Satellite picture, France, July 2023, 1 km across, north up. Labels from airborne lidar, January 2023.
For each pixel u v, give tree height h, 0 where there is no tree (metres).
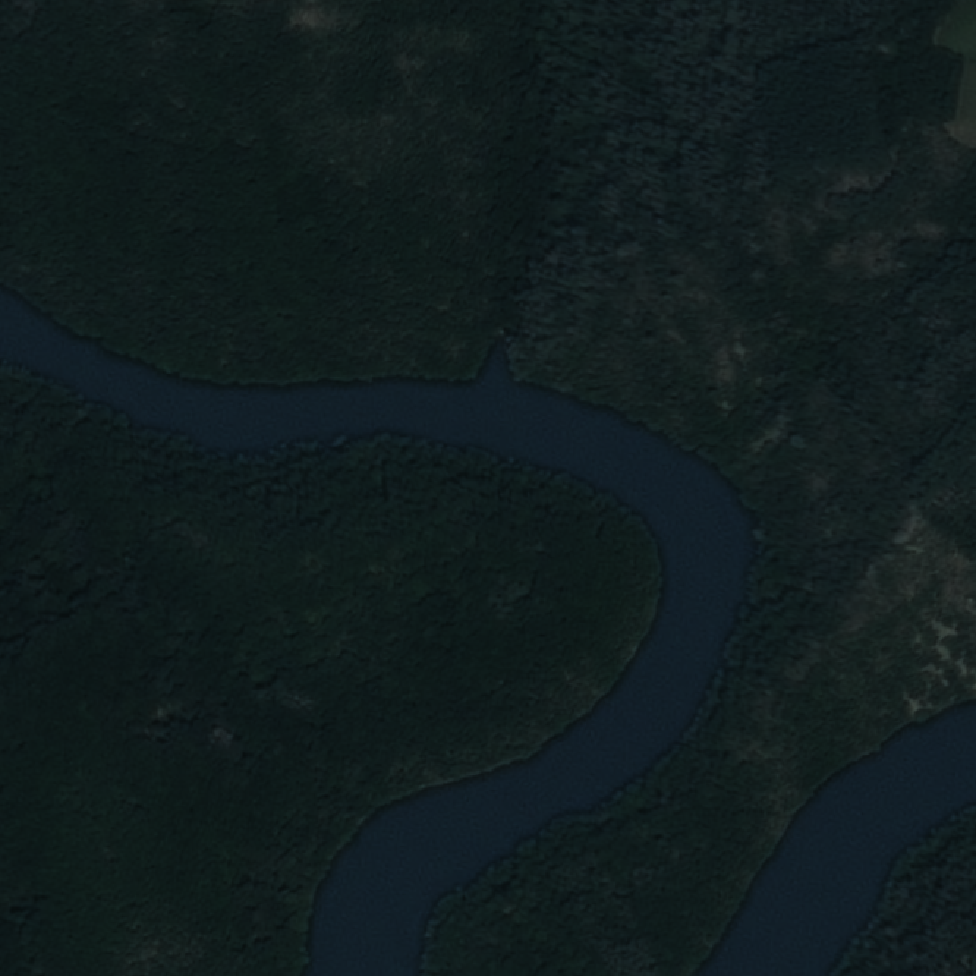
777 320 20
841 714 16
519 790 0
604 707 0
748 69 16
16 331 0
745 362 9
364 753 21
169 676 28
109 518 25
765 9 22
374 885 0
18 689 30
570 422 0
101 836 10
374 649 21
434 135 11
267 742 24
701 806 18
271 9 10
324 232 19
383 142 6
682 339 11
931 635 9
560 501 22
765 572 18
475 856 0
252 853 28
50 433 16
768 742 12
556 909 16
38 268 17
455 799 0
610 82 31
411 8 18
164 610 8
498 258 23
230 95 22
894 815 0
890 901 18
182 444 17
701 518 0
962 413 18
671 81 35
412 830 0
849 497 8
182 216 14
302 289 22
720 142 29
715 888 17
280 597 16
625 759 0
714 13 26
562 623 25
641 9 32
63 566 6
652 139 31
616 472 0
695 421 13
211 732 26
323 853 22
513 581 18
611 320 13
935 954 23
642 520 15
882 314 11
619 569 19
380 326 17
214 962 20
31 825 24
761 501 16
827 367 12
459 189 8
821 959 0
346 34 12
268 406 0
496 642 24
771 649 11
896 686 10
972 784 0
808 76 29
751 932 0
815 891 0
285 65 16
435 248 20
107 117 12
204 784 29
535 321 25
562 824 14
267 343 13
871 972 17
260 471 19
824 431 6
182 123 17
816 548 8
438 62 7
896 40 9
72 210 23
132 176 20
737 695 10
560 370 19
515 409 0
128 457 15
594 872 22
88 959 20
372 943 0
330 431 0
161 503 18
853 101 28
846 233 7
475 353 15
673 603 0
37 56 17
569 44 15
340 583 16
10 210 18
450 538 19
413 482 19
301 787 24
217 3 7
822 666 8
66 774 16
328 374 15
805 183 12
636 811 19
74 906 19
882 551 8
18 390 18
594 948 16
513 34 18
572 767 0
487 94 13
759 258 11
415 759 18
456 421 0
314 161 14
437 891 0
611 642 14
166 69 13
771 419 8
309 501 20
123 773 20
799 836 0
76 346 0
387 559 16
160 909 17
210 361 21
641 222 7
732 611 0
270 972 26
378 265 18
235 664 26
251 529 12
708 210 17
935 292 22
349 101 17
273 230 20
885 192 21
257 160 19
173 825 23
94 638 25
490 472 13
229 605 20
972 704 0
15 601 19
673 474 0
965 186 11
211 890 23
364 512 16
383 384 0
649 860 17
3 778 29
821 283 6
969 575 7
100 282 15
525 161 27
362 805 26
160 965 12
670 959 24
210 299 12
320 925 0
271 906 28
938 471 20
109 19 14
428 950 12
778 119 32
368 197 11
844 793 0
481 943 14
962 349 20
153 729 19
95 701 25
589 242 25
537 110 27
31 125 24
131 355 10
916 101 9
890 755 0
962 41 0
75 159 21
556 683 13
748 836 18
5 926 20
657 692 0
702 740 14
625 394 7
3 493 21
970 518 13
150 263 20
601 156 15
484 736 21
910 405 8
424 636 22
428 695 25
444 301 9
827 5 18
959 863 19
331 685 21
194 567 18
